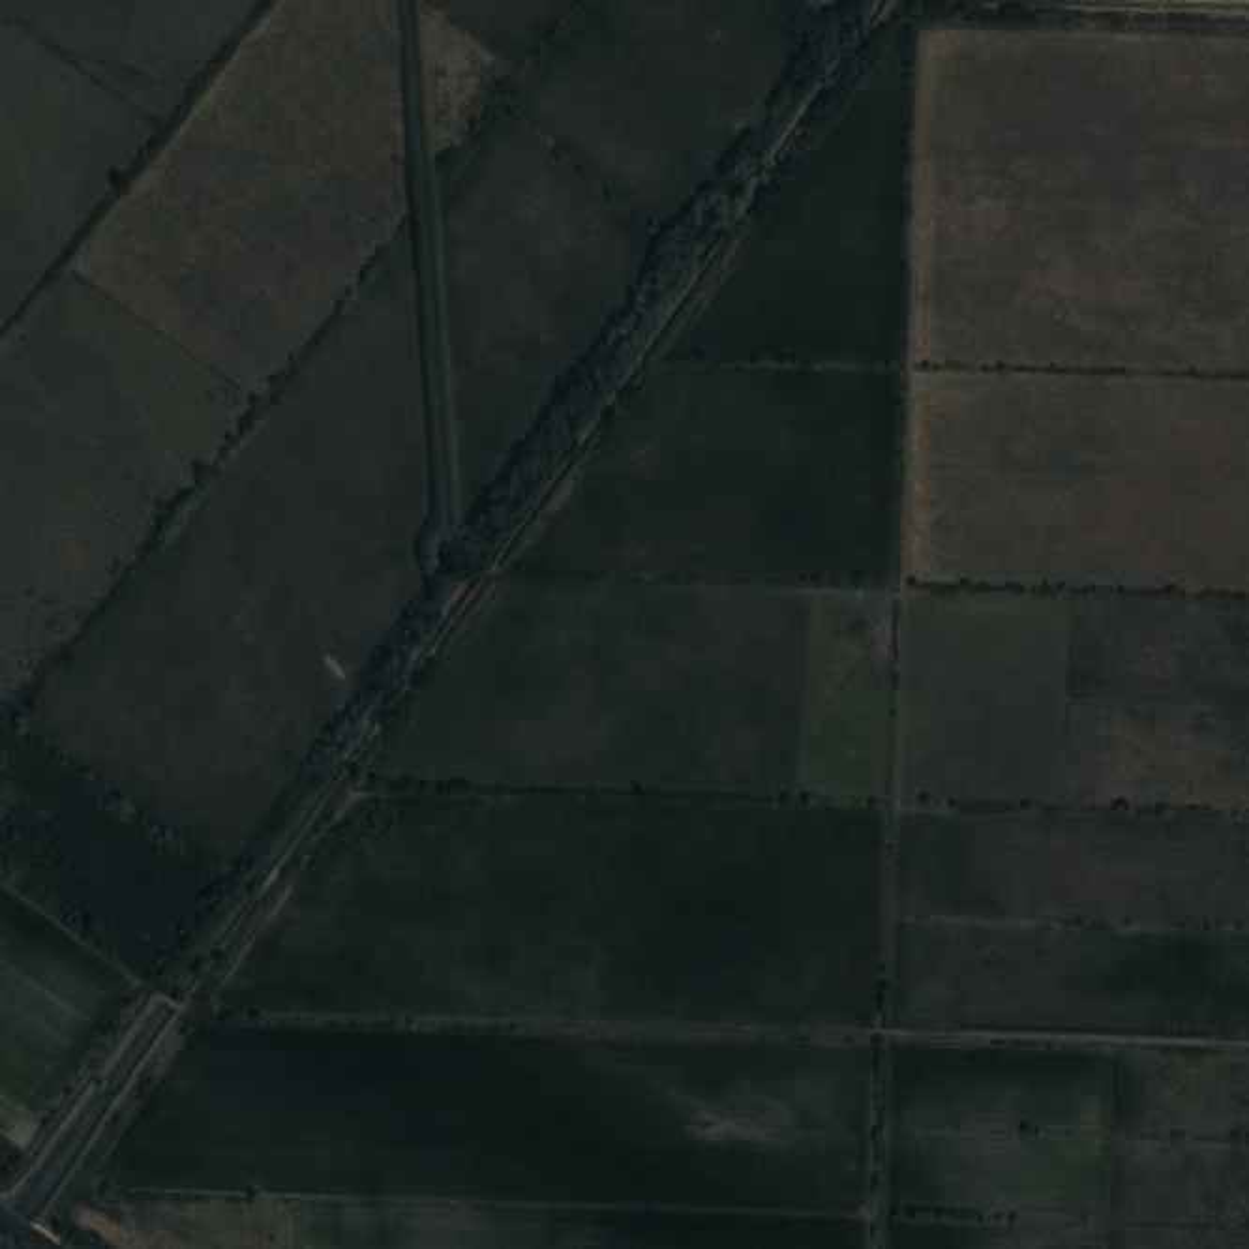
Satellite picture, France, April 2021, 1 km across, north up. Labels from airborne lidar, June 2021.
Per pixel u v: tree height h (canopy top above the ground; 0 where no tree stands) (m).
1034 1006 0
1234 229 0
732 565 0
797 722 0
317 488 0
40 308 0
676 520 0
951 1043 0
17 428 0
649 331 21
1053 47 0
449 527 19
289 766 0
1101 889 0
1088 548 0
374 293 0
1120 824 0
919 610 0
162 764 0
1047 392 0
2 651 0
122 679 0
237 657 0
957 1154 0
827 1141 0
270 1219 0
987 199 0
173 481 0
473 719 0
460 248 0
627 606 0
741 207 15
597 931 0
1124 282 0
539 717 0
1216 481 0
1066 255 0
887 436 0
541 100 0
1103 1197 0
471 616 6
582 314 0
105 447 0
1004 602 0
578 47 0
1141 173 0
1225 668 0
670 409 0
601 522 0
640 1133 0
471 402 0
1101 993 0
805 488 0
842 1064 0
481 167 0
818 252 0
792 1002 0
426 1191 0
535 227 0
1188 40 0
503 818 0
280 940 0
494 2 0
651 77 0
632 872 0
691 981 0
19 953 0
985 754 0
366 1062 0
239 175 0
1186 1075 0
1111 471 0
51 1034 0
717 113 0
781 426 0
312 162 0
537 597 0
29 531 0
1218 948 0
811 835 0
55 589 0
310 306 0
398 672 13
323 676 0
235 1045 0
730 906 0
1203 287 0
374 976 0
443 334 17
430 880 0
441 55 0
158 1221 0
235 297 0
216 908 11
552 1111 0
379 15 0
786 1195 0
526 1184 0
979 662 0
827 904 0
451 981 0
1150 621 0
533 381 0
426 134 18
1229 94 0
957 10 5
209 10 0
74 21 0
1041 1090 0
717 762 0
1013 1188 0
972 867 0
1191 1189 0
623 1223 0
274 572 0
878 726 0
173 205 0
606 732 0
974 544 0
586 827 0
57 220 0
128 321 0
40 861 9
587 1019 0
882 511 0
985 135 0
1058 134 0
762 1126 0
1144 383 0
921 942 0
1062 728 0
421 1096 0
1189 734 0
